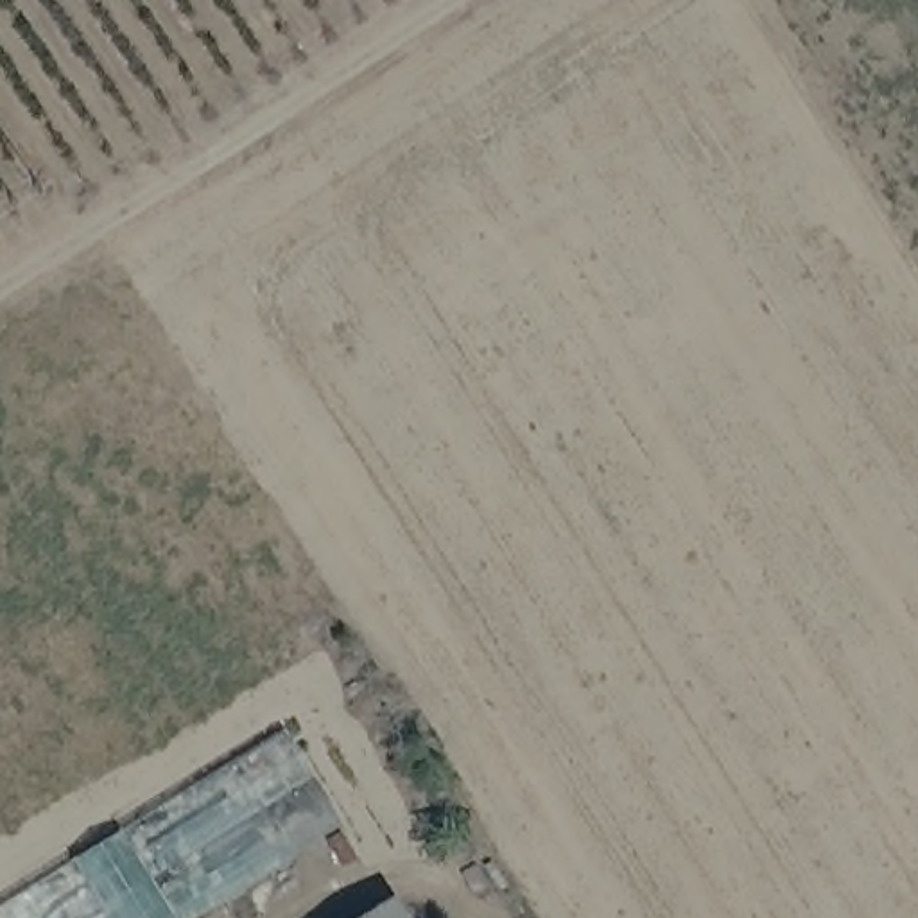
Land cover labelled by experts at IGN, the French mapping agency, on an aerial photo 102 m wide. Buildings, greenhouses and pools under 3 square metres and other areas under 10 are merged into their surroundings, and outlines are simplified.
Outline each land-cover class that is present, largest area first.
<instances>
[{"label":"agricultural land","instance_id":"1","mask_svg":"<svg viewBox=\"0 0 918 918\"><path fill-rule=\"evenodd\" d=\"M402 68H394L369 90L355 93L326 118L312 122L305 133L290 136L287 143L273 147L269 154L255 158L251 165H244L240 172L208 190H201L197 176L212 169L204 151H194L179 165H161L158 151H147V165L104 183L100 194L90 197V212L72 230L50 237L36 251L22 255L14 265H0V839L14 836L29 818L43 814L50 803L75 792L79 785L165 749L183 728L204 724L215 710L230 706L247 689H258L265 678L316 656L319 649L330 653L337 638L359 631L369 642L377 663L394 671V678L409 689L420 721L437 732L448 764L459 771L466 796L463 807H470V814L488 828L498 857L516 871V882L524 886L538 918H918V18L911 11H900L893 22H879L871 14L850 11L843 0H498V4H491V7L477 11V14H473V22L459 25V29H455L452 36H441V32H437L434 25L409 39L402 50Z\"/></svg>","mask_w":918,"mask_h":918},{"label":"pervious surface","instance_id":"2","mask_svg":"<svg viewBox=\"0 0 918 918\"><path fill-rule=\"evenodd\" d=\"M466 4H470V0H394L373 7L362 25L355 22L333 43H326L319 29L312 36H301L298 47L308 61L287 68L273 82L280 90V100L273 108L255 111L244 126L219 136L204 151L212 169L240 154L247 143L262 140L265 133H273L276 126H283L287 118H294L301 108L337 90L341 82L355 79L391 50H402L409 39L434 25L441 22V18H448V14H455V11H463ZM273 739H283L287 746L301 749V767L312 778H319L344 836L355 857L373 875L330 893L305 918H362L384 900H391L394 907H409L416 918H538L524 886L516 882V871L498 857L463 861L452 853L445 861H434L420 839H412V814L402 792L409 778L387 771L384 749L344 710V692L330 653L319 649L316 656L265 678L258 689H247L230 706L215 710L204 724L183 728L165 749L79 785L75 792L50 803L43 814L29 818L14 836L0 839V907L29 893L32 886L61 879V871L72 868L75 857L90 853L115 832L161 821L165 807L176 796L194 792L197 785L212 782L237 760H244L247 753L269 746Z\"/></svg>","mask_w":918,"mask_h":918},{"label":"plowed land","instance_id":"3","mask_svg":"<svg viewBox=\"0 0 918 918\"><path fill-rule=\"evenodd\" d=\"M72 22L82 29L86 43L108 65L129 108L136 111L140 133L133 136L126 129V118L115 111L111 97L100 90L97 75L82 65V57H75L72 43L61 36L57 22L47 14L39 0H0V43L47 108L32 118L0 72V265H14L22 255L36 251L50 237L72 230L90 212V197L100 194L104 183L147 165V151H158L161 165H179L194 151H204L219 136L244 126L255 111L273 108L280 100V90L273 82L287 68L308 61L298 47L301 36H312L319 29L326 43H333L355 22L362 25L373 7L394 0H233L262 43L258 50H247L230 18L215 7V0H143L190 65V75L179 79L176 65H169L154 36L133 14L129 0H104L118 29L133 39L143 65L169 93V111H158L154 97L129 72L118 47L90 14L86 0H61ZM18 14L32 22L61 72L75 82L86 108L100 122L97 129H86L79 122V115L57 93L54 79L39 68L25 39L14 32L11 22Z\"/></svg>","mask_w":918,"mask_h":918},{"label":"building","instance_id":"4","mask_svg":"<svg viewBox=\"0 0 918 918\"><path fill-rule=\"evenodd\" d=\"M344 836L319 778H312L301 767V749L287 746L283 739H273L269 746L247 753L244 760H237L212 782L197 785L194 792L176 796L165 807L161 821L115 832L90 853L75 857L72 868L61 871V879L32 886L29 893L0 907V918H183L186 911L204 904L212 907L237 896L255 900L258 886L280 889L294 882V868L301 864L312 843L326 839L330 846ZM362 918H416L409 907H394L391 900H384Z\"/></svg>","mask_w":918,"mask_h":918},{"label":"herbaceous vegetation","instance_id":"5","mask_svg":"<svg viewBox=\"0 0 918 918\"><path fill-rule=\"evenodd\" d=\"M491 4H498V0H470V4H466L463 11H455V14H448V18H441V22L434 25L437 32H441V36H452L455 29H459V25L473 22V14H477V11L491 7ZM402 50H391L355 79L341 82L337 90L301 108L294 118H287L283 126H276L273 133H265L262 140L247 143L240 154L212 169L197 176L201 190H208L240 172L244 165H251L255 158L269 154L273 147L287 143L290 136L305 133L312 122L326 118L355 93L369 90L394 68H402ZM344 692V710L384 749L412 742L420 735V721L409 689L394 678V671L377 663L369 642L359 631L337 638L330 653ZM452 853L463 861L498 857L488 828L470 814V836L459 839ZM373 875L355 857L344 836L330 846L326 839L312 843L301 864L294 868V882L280 889L258 886L255 900L237 896L212 907L204 904L186 911L183 918H305L330 893Z\"/></svg>","mask_w":918,"mask_h":918},{"label":"deciduous trees","instance_id":"6","mask_svg":"<svg viewBox=\"0 0 918 918\"><path fill-rule=\"evenodd\" d=\"M47 14L57 22L61 36L72 43L75 57H82V65L97 75L100 90L111 97L115 111L126 118V129L133 136L140 133L136 111L129 108L108 65L86 43L82 29L72 22L61 0H39ZM90 14L118 47L129 72L154 97L158 111H169V93L143 65L133 39L118 29L104 0H86ZM133 14L154 36L169 65H176L179 79L190 75V65L143 0H129ZM215 7L230 18L247 50H258L262 43L233 0H215ZM850 11L871 14L879 22H893L900 11H911L918 18V0H843ZM14 32L25 39L39 68L54 79L57 93L79 115V122L86 129H97L100 122L86 108L75 82L61 72L32 22L18 14L11 22ZM0 72L32 118L47 108L0 43ZM387 771L409 778L402 792L412 814V839H420L434 861H445L452 853L459 839L470 836V807H463L466 796L459 771L448 764L437 732L420 721V735L412 742L384 749Z\"/></svg>","mask_w":918,"mask_h":918}]
</instances>
